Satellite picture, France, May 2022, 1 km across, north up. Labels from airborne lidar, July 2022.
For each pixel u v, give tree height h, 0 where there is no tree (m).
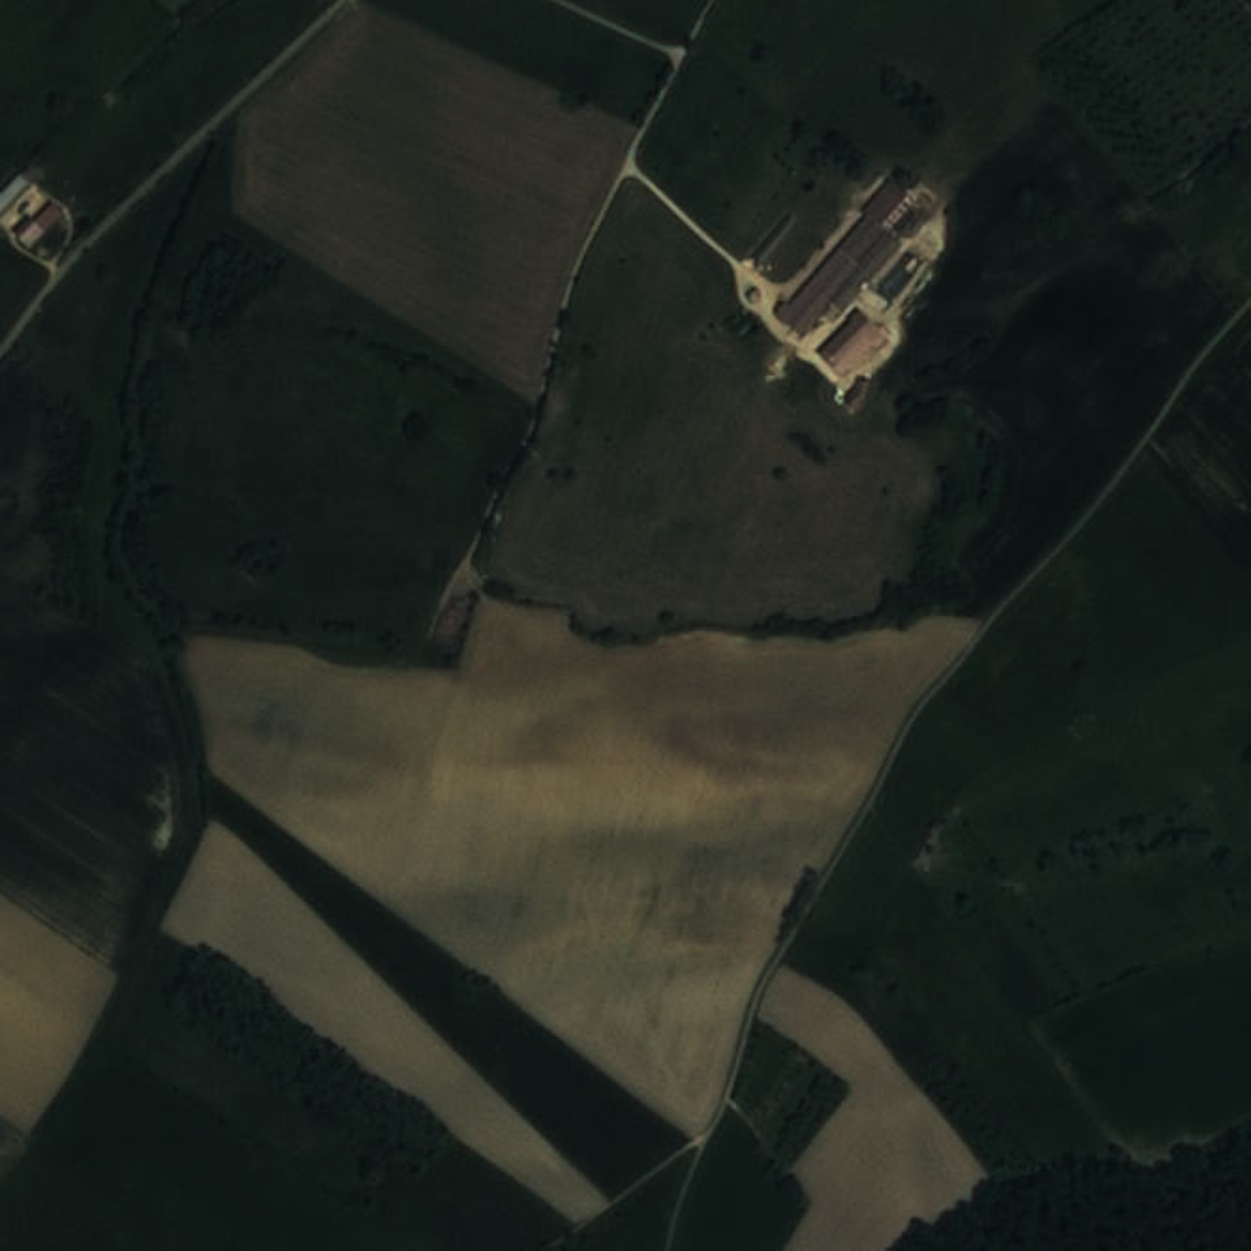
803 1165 0
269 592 0
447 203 0
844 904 0
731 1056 0
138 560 9
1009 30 0
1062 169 0
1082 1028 0
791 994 0
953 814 0
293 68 0
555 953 0
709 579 0
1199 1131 0
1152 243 0
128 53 0
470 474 0
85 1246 0
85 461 11
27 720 0
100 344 0
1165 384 0
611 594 0
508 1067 0
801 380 0
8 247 0
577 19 0
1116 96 9
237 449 0
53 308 0
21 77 0
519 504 0
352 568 0
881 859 0
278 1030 21
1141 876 0
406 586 0
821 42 0
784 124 0
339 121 0
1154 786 0
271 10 0
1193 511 0
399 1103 20
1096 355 0
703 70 0
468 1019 0
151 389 6
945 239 0
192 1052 0
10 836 0
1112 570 0
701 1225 0
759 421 0
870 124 0
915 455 0
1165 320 0
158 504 10
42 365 0
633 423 0
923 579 6
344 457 0
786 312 0
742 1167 0
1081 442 0
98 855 0
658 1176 0
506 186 0
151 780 0
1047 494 0
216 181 0
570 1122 0
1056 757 0
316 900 0
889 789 0
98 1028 0
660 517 0
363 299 0
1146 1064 0
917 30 0
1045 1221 25
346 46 0
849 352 0
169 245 11
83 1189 0
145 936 0
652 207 0
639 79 0
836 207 0
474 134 0
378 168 0
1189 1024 0
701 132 0
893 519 0
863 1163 0
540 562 0
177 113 0
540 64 0
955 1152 0
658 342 0
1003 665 0
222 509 0
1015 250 0
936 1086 7
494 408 0
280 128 0
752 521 0
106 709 0
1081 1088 0
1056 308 0
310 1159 0
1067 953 0
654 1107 0
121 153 0
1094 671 0
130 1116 0
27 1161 0
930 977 0
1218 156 10
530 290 0
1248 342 0
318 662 0
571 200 0
